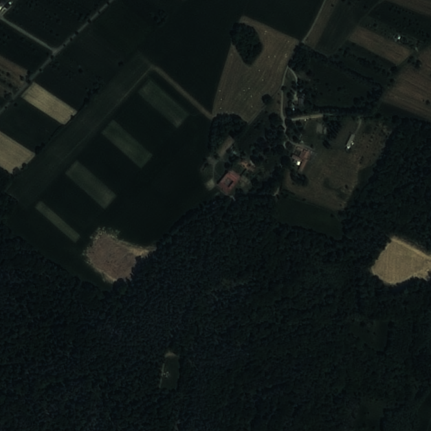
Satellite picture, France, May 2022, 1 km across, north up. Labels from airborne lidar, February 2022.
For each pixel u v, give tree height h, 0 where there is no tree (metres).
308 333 22
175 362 0
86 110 0
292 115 20
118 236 0
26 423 24
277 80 0
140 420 25
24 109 0
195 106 0
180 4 0
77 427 25
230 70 0
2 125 0
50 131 0
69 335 29
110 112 0
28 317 30
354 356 24
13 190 0
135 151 0
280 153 18
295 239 26
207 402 20
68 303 26
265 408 30
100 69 0
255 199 19
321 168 0
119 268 26
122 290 21
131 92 0
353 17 0
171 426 16
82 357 25
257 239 28
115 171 0
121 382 25
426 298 23
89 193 0
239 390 26
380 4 0
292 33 0
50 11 0
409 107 0
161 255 23
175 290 25
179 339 22
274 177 13
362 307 32
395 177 24
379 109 0
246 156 0
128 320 25
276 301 6
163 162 0
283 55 0
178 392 14
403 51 0
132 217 0
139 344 24
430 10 0
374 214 32
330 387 27
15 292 29
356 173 0
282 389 27
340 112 25
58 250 0
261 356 24
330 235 0
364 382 24
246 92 0
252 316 28
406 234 31
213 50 0
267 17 0
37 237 0
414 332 24
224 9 0
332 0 0
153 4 0
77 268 0
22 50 0
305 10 0
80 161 0
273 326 25
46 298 28
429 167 32
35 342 12
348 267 26
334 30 0
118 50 0
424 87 0
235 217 18
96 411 23
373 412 0
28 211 0
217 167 0
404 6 0
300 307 25
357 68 0
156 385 13
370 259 27
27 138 0
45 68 0
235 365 25
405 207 32
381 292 31
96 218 0
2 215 26
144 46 0
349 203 0
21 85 0
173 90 0
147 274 28
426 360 32
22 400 25
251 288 24
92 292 26
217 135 17
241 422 24
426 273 0
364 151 0
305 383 30
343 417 24
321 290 23
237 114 0
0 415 29
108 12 0
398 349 15
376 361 27
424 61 0
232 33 11
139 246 0
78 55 0
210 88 0
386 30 0
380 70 11
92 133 0
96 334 27
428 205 27
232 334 28
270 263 25
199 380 18
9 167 0
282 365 22
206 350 24
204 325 24
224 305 23
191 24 0
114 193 0
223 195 0
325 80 0
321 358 24
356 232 26
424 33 8
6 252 33
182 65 0
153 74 0
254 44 8
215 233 23
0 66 0
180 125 0
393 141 22
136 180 0
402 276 0
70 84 0
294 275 27
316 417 31
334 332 26
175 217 0
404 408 20
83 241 0
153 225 0
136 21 0
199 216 21
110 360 24
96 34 0
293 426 30
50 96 0
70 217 0
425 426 0
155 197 0
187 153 0
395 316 19
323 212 0
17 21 0
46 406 31
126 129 0
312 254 25
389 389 25
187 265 24
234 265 20
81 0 0
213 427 26
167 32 0
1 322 27
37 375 30
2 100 0
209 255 25
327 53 0
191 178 0
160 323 26
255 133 0
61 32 0
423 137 30
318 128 0
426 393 20
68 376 25
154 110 0
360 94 0
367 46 0
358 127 0
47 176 0
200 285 20
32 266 35
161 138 0
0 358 24
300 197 0
